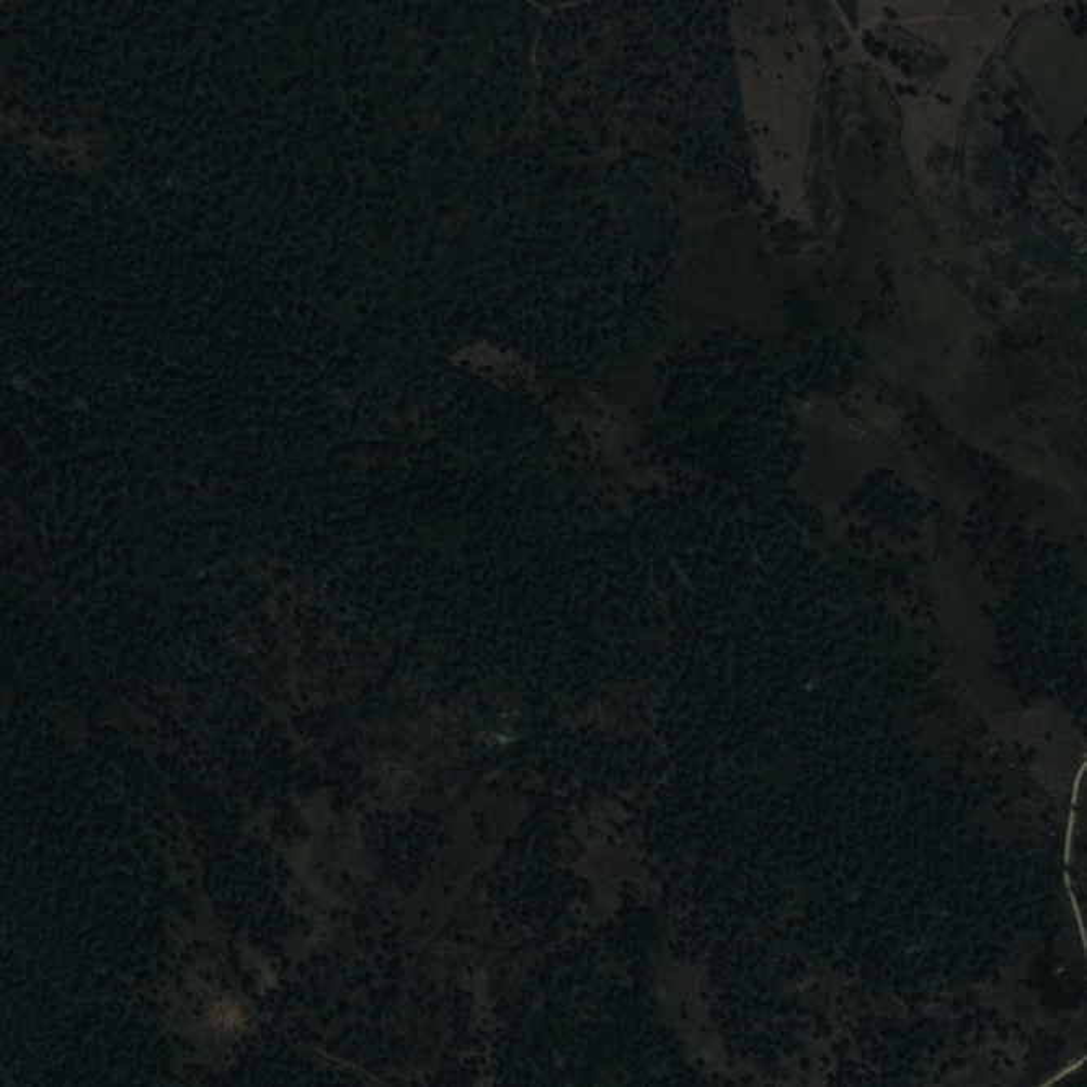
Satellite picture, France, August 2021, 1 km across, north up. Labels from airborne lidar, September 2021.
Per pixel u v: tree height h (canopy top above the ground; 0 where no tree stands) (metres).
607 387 12
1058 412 0
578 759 8
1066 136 0
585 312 19
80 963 12
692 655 8
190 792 17
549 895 14
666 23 7
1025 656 12
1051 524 0
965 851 12
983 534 10
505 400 10
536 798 15
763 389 16
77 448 22
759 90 0
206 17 15
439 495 15
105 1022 12
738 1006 10
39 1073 15
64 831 13
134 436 18
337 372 21
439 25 7
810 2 0
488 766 11
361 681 0
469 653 16
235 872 14
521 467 9
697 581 18
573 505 11
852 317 0
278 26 0
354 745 10
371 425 8
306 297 10
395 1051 8
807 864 17
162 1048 15
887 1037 15
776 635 12
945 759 0
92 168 0
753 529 9
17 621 11
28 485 13
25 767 15
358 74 12
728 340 11
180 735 14
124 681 8
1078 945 0
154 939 19
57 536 12
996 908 14
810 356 8
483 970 0
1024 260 0
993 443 0
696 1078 15
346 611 11
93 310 19
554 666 14
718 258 0
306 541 12
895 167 0
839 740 14
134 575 17
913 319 0
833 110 0
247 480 8
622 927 7
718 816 12
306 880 0
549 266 8
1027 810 0
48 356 22
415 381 8
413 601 14
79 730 0
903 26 0
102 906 19
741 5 7
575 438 12
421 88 15
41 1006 13
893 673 7
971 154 0
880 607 7
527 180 7
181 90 14
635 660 13
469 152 11
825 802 13
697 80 11
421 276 12
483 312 15
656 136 0
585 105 11
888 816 13
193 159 12
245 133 12
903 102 0
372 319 9
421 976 0
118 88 9
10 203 18
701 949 7
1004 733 0
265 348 25
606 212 8
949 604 0
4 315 24
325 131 10
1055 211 0
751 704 12
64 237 22
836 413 0
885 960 16
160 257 20
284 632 0
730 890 10
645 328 15
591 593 11
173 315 21
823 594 18
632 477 0
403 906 0
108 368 24
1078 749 0
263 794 8
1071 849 0
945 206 0
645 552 11
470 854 0
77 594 13
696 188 0
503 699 0
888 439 0
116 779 9
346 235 13
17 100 13
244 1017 0
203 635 11
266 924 14
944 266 0
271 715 0
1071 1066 0
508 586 13
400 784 0
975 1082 0
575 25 11
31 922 15
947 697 0
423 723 0
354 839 0
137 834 14
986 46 0
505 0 13
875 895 15
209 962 0
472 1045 11
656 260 15
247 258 10
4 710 0
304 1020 8
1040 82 0
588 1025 12
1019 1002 0
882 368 0
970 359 0
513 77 7
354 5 12
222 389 25
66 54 15
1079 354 0
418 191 0
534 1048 12
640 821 8
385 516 11
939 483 0
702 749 14
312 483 12
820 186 0
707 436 9
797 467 13
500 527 14
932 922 11
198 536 13
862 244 0
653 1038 12
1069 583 12
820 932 7
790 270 0
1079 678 14
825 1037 13
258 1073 15
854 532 14
